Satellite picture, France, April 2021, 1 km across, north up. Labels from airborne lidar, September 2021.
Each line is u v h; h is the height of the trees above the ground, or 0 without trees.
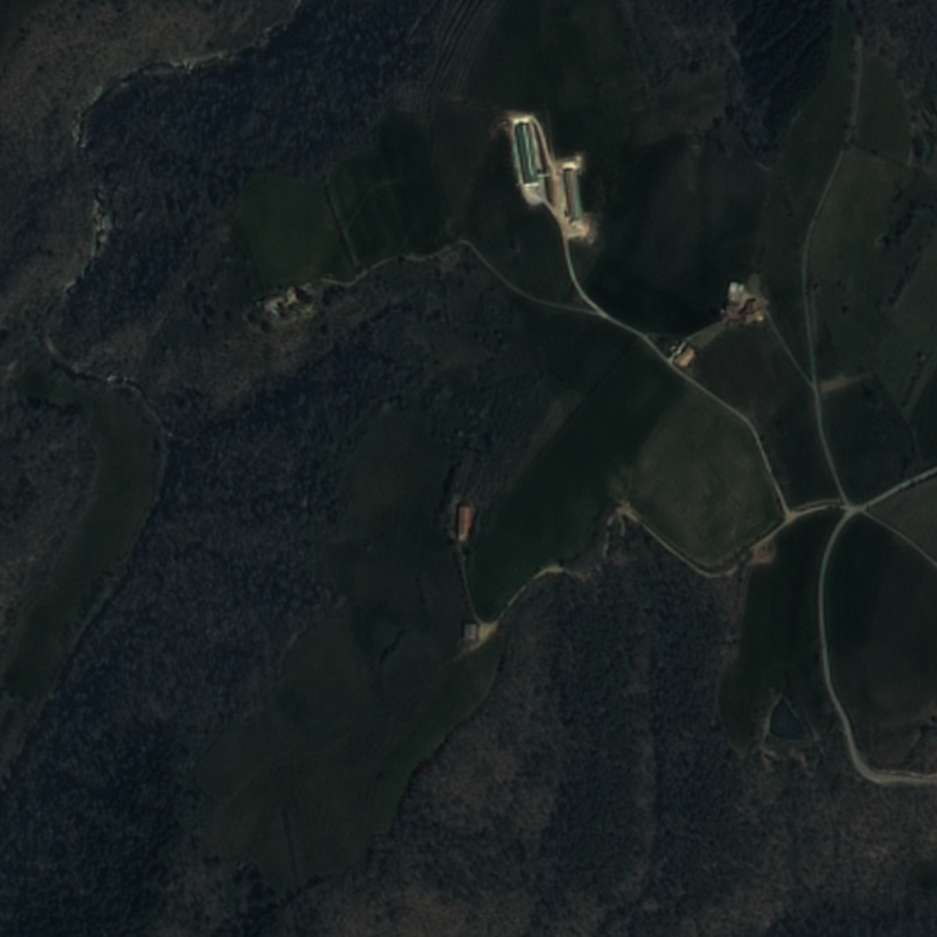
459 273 0
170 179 10
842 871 13
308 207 0
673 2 17
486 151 0
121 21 11
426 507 0
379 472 0
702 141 6
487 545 0
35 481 13
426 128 0
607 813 10
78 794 20
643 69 12
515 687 10
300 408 13
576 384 0
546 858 10
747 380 0
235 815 0
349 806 0
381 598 0
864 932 17
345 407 14
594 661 13
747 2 21
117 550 0
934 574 0
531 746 13
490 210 0
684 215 0
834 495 0
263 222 0
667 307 0
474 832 10
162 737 18
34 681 0
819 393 0
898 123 0
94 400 0
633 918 8
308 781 0
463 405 7
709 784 15
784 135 8
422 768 9
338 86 10
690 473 0
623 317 0
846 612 0
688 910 16
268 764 0
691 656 19
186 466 20
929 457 0
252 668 16
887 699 0
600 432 0
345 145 9
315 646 0
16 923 13
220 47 8
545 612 10
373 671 0
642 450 0
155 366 11
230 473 9
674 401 0
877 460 0
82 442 13
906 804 7
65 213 14
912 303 0
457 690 0
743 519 0
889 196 0
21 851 6
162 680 19
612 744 10
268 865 0
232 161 14
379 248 0
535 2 0
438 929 9
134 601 20
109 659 12
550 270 0
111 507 0
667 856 19
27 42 9
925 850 11
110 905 18
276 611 18
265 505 16
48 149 10
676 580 11
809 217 0
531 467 0
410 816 13
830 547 0
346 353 13
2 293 8
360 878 7
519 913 12
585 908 13
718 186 0
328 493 15
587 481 0
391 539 0
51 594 0
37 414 18
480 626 0
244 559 13
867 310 0
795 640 0
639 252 0
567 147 0
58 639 0
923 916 18
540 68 0
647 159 0
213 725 13
